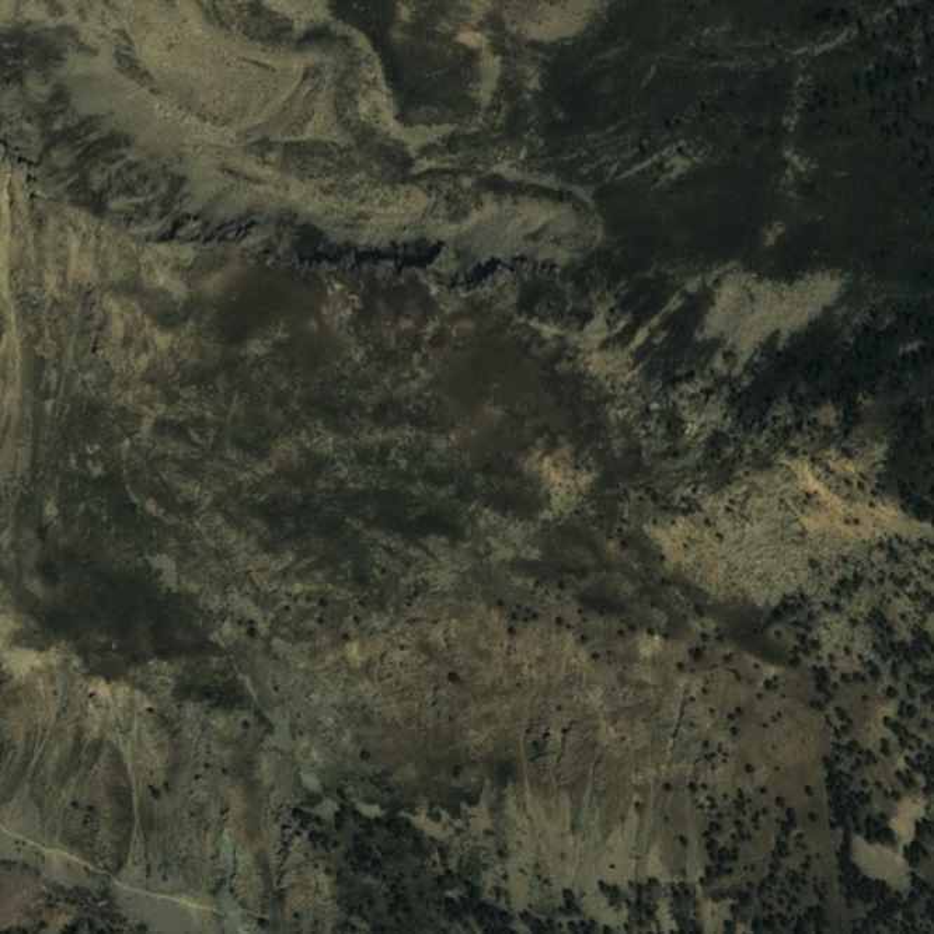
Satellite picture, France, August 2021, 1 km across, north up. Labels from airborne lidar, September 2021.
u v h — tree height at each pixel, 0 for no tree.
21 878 0
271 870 0
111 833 0
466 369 0
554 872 0
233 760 0
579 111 0
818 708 13
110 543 0
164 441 0
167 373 0
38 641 0
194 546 0
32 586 0
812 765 0
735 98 7
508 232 0
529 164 0
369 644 0
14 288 0
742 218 0
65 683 0
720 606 0
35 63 0
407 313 0
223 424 0
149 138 0
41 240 0
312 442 0
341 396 0
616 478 0
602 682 0
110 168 0
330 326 0
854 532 0
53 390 0
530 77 0
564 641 0
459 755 0
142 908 0
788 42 0
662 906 0
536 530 0
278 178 0
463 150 0
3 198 0
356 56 0
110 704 0
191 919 0
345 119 0
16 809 0
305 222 0
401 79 0
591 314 0
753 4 0
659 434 0
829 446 0
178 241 0
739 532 0
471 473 0
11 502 0
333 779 0
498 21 0
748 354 0
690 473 0
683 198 0
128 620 0
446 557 0
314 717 0
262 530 0
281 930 0
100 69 0
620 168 0
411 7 0
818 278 0
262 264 0
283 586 0
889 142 6
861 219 0
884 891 11
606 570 0
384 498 0
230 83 0
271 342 0
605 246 0
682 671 9
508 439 0
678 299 0
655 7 0
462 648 0
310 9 0
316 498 0
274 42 0
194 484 0
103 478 0
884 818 11
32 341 0
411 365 0
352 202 0
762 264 0
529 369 0
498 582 0
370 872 9
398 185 0
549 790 0
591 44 0
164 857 0
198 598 0
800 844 7
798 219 0
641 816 0
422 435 0
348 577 0
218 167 0
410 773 0
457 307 0
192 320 0
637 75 0
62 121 0
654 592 0
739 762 0
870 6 0
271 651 0
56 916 0
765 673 0
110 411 0
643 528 0
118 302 0
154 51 0
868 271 0
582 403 0
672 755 0
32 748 0
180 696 0
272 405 0
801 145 0
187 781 0
